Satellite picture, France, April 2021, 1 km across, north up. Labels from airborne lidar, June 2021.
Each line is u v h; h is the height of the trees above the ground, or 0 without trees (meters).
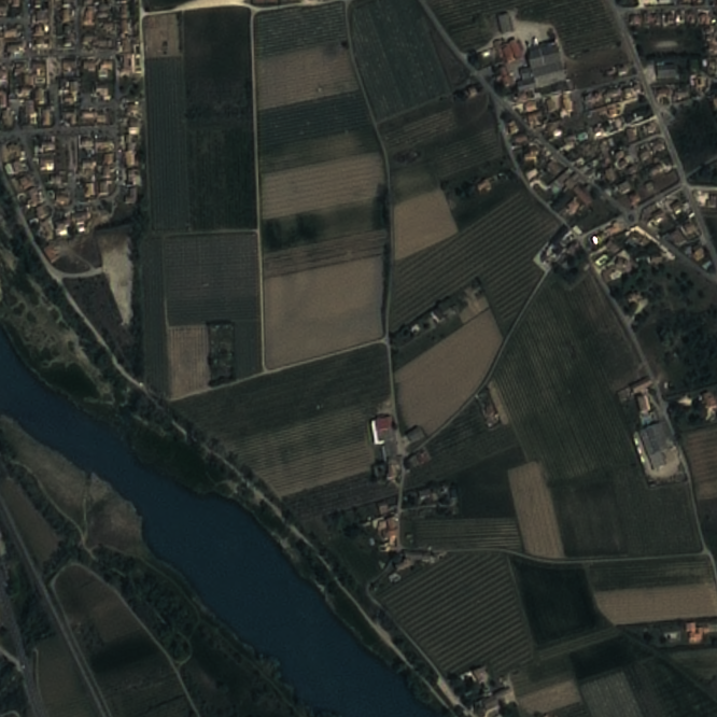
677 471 0
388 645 0
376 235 0
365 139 0
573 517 0
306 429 0
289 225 0
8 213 6
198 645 0
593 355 0
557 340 0
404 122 0
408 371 0
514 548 0
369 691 0
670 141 0
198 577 0
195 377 0
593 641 0
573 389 0
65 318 11
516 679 0
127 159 0
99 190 0
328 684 0
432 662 0
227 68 0
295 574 0
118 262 0
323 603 0
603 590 0
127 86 0
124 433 0
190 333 0
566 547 0
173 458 0
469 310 0
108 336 13
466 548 0
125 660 0
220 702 0
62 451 0
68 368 0
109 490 0
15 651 0
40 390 0
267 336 0
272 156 0
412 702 0
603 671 0
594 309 0
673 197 0
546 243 0
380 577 0
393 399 0
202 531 0
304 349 0
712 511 0
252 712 0
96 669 0
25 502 0
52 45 0
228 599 0
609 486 0
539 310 0
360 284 0
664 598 0
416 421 0
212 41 0
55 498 0
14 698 5
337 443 0
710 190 0
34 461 0
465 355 0
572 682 0
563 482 0
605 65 0
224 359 12
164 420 23
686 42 0
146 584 14
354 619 0
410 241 0
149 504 0
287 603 0
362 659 0
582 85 0
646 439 0
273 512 13
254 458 0
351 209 0
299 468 0
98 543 0
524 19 0
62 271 0
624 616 0
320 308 0
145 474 0
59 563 24
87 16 0
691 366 14
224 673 0
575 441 0
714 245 9
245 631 0
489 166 9
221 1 0
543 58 0
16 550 10
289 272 0
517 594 0
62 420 0
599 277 0
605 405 0
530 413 0
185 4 0
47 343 0
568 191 6
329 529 8
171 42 0
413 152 0
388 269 12
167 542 0
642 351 0
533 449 0
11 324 0
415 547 0
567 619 0
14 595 13
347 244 0
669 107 0
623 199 0
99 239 0
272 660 17
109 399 0
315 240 0
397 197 0
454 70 0
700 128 6
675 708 0
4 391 0
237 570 0
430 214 0
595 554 0
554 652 0
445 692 0
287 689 0
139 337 19
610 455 0
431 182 0
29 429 0
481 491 0
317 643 0
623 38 0
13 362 0
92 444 0
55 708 0
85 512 0
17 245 14
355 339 0
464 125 0
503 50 0
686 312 7
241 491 13
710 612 0
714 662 0
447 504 9
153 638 0
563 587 0
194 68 0
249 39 0
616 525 0
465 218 0
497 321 0
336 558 7
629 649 0
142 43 0
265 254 0
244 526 0
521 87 0
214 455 18
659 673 0
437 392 0
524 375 0
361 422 0
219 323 7
